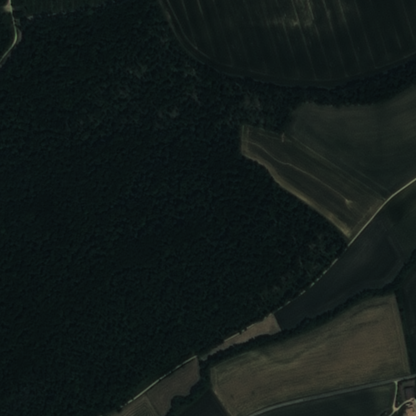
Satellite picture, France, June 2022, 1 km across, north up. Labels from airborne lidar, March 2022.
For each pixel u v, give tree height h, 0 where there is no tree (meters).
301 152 0
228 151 16
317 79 0
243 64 0
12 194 23
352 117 0
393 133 0
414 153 0
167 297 0
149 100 0
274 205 0
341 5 0
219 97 0
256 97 0
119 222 0
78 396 0
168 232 0
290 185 0
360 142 0
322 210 0
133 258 0
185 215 0
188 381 0
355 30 0
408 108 0
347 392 0
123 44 0
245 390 0
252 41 0
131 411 0
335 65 0
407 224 0
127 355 0
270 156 0
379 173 0
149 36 0
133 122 0
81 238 0
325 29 0
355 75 0
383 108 0
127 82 0
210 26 0
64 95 0
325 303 0
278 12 0
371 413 0
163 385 0
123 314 0
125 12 0
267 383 0
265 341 0
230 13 0
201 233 0
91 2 0
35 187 21
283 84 0
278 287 0
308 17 0
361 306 0
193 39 0
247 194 0
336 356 0
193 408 0
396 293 8
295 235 18
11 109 0
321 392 0
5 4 0
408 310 0
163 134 22
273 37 0
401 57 0
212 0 0
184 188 0
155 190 0
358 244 0
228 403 0
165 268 0
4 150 21
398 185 0
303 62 0
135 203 0
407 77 19
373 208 0
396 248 0
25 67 22
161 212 0
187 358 0
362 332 0
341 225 0
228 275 0
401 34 0
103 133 0
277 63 0
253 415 0
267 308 0
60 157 21
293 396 0
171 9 0
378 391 0
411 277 0
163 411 0
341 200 0
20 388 21
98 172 0
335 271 0
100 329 0
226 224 0
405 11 0
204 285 0
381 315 0
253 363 0
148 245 0
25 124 20
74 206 0
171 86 0
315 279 13
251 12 0
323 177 0
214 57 0
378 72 0
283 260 0
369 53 0
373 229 0
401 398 0
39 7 0
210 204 0
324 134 0
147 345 0
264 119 0
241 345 0
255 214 0
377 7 0
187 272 0
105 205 24
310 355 0
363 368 0
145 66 0
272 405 0
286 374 0
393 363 0
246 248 0
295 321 0
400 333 0
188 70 0
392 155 0
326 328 0
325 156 0
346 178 0
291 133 0
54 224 0
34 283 22
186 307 0
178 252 0
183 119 0
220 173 0
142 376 0
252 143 0
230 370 0
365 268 0
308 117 0
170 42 0
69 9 0
